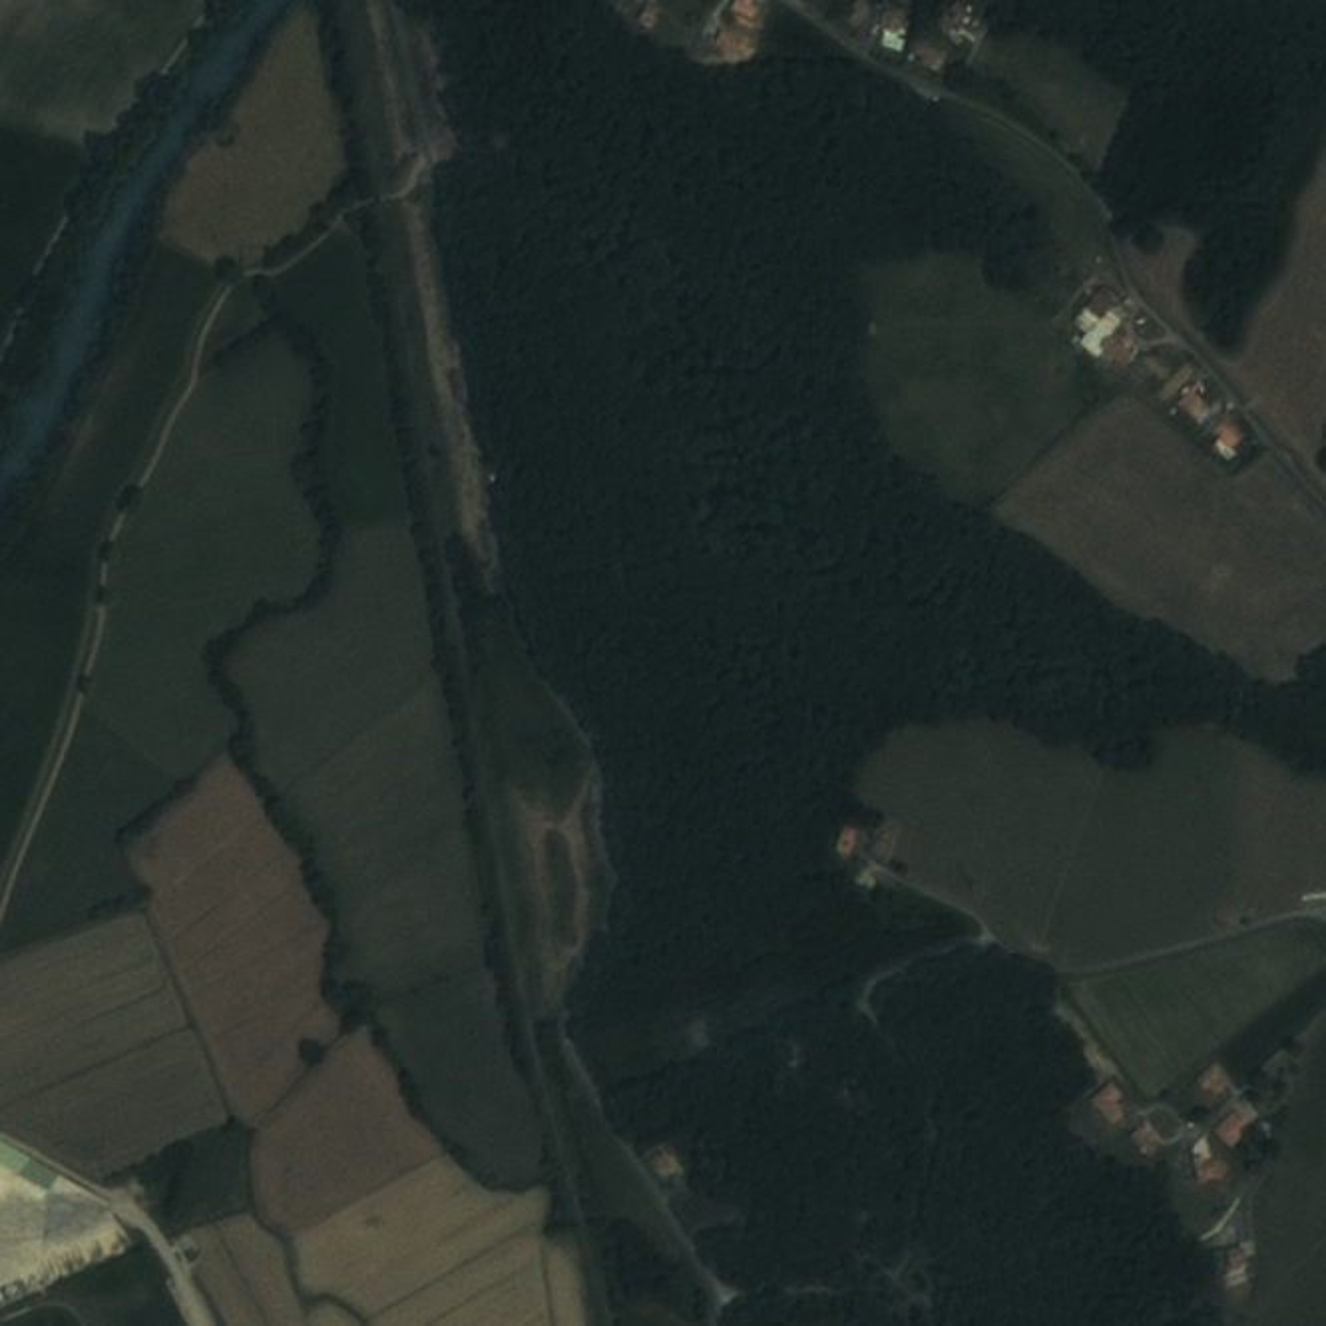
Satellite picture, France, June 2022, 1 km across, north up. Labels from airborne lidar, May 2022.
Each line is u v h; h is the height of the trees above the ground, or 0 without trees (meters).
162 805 7
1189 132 12
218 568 0
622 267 28
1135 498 0
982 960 19
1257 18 23
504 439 24
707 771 23
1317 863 0
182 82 13
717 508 30
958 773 0
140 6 0
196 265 0
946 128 21
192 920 0
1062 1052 22
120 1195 0
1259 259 9
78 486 0
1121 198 10
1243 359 0
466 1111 0
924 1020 21
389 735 0
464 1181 0
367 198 8
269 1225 0
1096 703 27
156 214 11
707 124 26
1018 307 0
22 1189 0
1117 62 21
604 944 22
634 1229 11
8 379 12
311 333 8
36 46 0
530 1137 0
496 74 22
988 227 20
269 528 0
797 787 26
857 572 29
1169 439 0
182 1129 0
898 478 25
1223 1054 0
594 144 26
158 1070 0
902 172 25
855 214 25
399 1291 0
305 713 0
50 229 0
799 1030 19
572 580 25
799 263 26
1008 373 0
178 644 0
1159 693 29
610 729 21
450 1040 0
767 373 31
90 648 0
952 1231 24
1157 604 0
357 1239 0
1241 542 0
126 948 0
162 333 0
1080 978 0
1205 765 0
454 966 0
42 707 0
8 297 0
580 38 23
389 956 0
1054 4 14
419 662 0
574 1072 0
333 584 7
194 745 0
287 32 0
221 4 24
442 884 0
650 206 32
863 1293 19
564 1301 0
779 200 23
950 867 0
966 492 0
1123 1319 26
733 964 26
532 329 25
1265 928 0
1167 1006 0
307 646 0
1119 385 0
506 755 0
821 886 22
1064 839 0
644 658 30
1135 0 22
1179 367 0
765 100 25
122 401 0
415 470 10
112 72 0
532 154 25
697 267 29
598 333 24
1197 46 16
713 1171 18
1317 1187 0
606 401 23
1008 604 26
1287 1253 0
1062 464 0
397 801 0
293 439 0
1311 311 0
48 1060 0
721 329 32
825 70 21
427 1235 0
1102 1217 23
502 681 0
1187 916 0
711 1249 20
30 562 0
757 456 14
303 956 0
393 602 0
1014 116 0
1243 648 0
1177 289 0
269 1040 0
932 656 32
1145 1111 0
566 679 21
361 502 0
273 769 0
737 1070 16
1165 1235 17
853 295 20
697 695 28
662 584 22
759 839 24
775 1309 17
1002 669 30
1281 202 10
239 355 8
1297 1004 0
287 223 0
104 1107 0
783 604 29
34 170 0
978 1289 23
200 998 0
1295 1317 0
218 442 0
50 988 0
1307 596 0
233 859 0
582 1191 7
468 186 22
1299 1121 0
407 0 23
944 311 0
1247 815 0
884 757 0
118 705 0
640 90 24
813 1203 21
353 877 0
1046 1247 26
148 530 0
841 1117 28
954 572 17
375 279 7
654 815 27
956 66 9
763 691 24
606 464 23
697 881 28
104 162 22
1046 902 0
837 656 24
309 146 0
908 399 0
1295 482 0
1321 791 0
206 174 0
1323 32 27
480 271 24
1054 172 0
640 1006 17
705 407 36
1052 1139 17
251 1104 0
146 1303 0
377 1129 0
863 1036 23
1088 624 26
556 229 27
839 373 24
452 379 0
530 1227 0
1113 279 0
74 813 0
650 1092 24
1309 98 22
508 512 23
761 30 0
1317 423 0
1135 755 15
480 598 16
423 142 0
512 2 21
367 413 0
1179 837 0
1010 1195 19
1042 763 0
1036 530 0
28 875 0
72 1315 0
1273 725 17
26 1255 0
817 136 32
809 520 33
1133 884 0
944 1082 24
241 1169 0
